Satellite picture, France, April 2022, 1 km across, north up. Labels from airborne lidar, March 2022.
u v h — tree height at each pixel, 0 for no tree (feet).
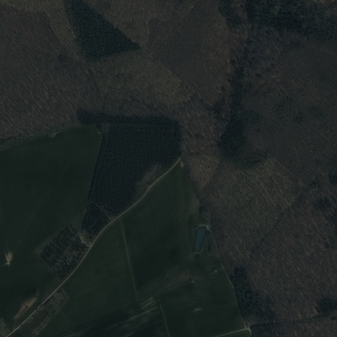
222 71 58
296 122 42
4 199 0
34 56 65
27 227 0
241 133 66
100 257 0
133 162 55
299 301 83
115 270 0
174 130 59
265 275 83
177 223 0
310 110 52
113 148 50
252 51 93
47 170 0
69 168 0
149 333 0
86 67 93
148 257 0
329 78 60
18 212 0
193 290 0
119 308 0
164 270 0
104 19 72
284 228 88
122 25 0
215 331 0
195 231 0
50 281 0
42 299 0
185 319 0
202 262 0
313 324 62
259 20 74
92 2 0
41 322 0
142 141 46
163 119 74
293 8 88
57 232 0
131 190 54
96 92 85
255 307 81
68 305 0
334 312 103
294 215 77
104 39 68
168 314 0
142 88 0
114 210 56
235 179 0
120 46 73
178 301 0
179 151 45
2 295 0
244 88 34
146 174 54
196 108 88
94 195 29
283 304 81
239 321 0
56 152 0
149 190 0
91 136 0
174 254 0
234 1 54
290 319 76
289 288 80
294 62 45
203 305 0
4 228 0
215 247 80
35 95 77
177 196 0
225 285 0
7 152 0
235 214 0
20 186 0
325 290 84
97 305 0
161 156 60
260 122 55
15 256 0
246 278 81
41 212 0
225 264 35
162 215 0
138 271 0
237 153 58
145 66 0
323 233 86
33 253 0
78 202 0
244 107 54
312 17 92
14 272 0
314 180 41
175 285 0
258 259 78
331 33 52
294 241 89
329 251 85
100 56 74
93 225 38
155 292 0
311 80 51
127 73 0
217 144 92
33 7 0
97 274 0
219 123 106
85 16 57
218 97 45
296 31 66
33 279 0
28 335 0
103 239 0
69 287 0
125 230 0
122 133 58
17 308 0
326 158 49
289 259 87
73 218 0
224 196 0
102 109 80
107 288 0
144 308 0
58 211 0
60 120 80
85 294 0
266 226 0
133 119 88
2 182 0
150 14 0
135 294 0
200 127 82
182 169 0
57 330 0
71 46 0
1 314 0
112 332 0
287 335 71
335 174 73
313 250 86
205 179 0
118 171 49
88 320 0
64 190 0
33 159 0
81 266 0
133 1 0
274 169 0
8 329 0
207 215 96
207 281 0
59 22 0
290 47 41
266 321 77
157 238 0
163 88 0
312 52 48
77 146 0
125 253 0
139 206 0
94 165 0
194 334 0
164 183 0
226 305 0
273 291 80
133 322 0
